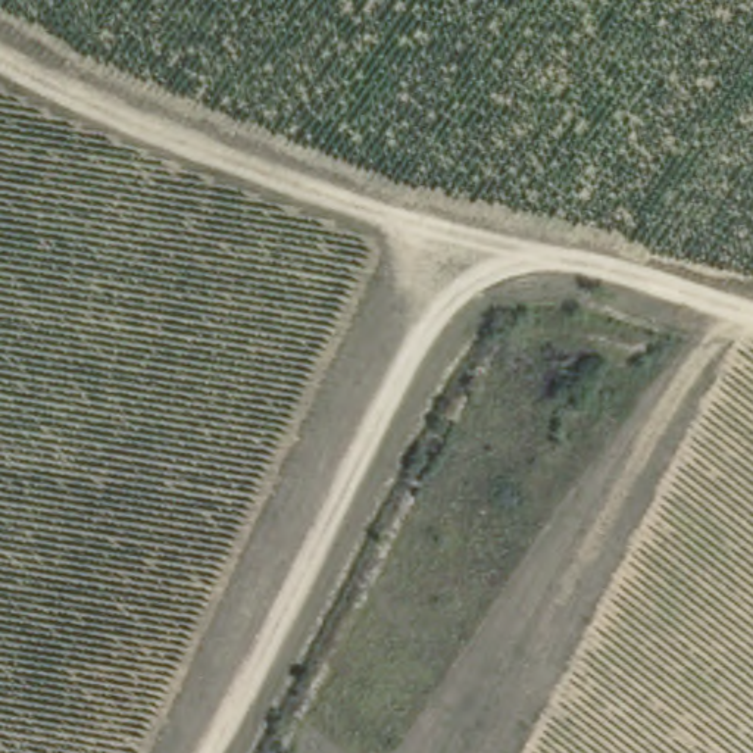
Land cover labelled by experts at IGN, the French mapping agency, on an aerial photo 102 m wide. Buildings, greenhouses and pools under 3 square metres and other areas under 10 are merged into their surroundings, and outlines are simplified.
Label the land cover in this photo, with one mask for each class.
<instances>
[{"label":"vineyard","instance_id":"1","mask_svg":"<svg viewBox=\"0 0 753 753\"><path fill-rule=\"evenodd\" d=\"M0 44L15 53H24L41 68H50L68 79L82 82L85 88L109 94L135 112L162 118L182 129H194L224 147L338 185L344 191L509 238H524L565 250H585L618 262L644 265L650 253H662L724 271L753 274V0H0ZM285 194L218 171L212 165L191 162L156 144L138 141L121 129L103 126L0 74V753H132V747H126V735L141 738L150 712L156 709L159 691L165 688L168 677L174 674L182 656L191 624L215 582V571L226 556L229 541L247 512L256 479L262 477L268 456L276 447V438L285 429V421L291 418V409L309 377L312 359L326 341L341 297L347 294V285L353 279L350 274L356 265H362L368 253L362 238L356 235H338L332 229H324L315 218L285 215L279 200ZM709 329L724 338H732V347L724 365L718 368L712 388L703 394L679 450L674 453L665 477L659 479L653 503L641 518L638 529L632 532L627 556L615 571L594 612V621L585 627V635L577 644L568 671L553 688L547 709L532 727L524 753H753V329L709 315Z\"/></svg>","mask_w":753,"mask_h":753},{"label":"herbaceous vegetation","instance_id":"2","mask_svg":"<svg viewBox=\"0 0 753 753\"><path fill-rule=\"evenodd\" d=\"M285 215L315 218L324 229H332L338 235H356L362 238L368 253L362 265H356L350 274L353 279L347 285V294L341 297L326 341L312 359L309 377L291 409V418L285 421V429L276 438V447L268 456L262 477L256 479L247 512L229 541L226 556L215 571V582L191 624L182 656L174 674L168 677L165 688L159 691L156 709L150 712L141 738L126 735V747H132V753H197L235 674L253 653V644L271 615V606L282 591V582L309 529L315 527V518L338 474V465L347 456L362 427V418L374 403L397 350L403 347L406 332L421 321L427 306L456 276L488 262V256L479 250H465L432 238L424 241V247L397 241L391 247L388 235L368 221L285 194L279 200ZM715 291L753 300V274L724 271L662 253H650L644 265ZM709 329V315L627 285L562 271L509 276L488 285L479 297L468 300L447 321V326L438 332V338L421 359L356 488V497L326 550V559L253 706L247 709L238 732L232 735L224 753H297L291 744L282 747L279 738V727L288 724L291 715H309L312 727L344 753H391L418 724L424 709L429 706V697L441 691L450 665L477 632L479 621L488 615L491 603L500 597L512 571L527 556L529 541L550 518L553 506L565 497L571 482H577L588 468L600 462V453L632 418L638 397L665 371L677 374L682 359L700 344L703 332Z\"/></svg>","mask_w":753,"mask_h":753},{"label":"agricultural land","instance_id":"3","mask_svg":"<svg viewBox=\"0 0 753 753\"><path fill-rule=\"evenodd\" d=\"M732 347V338H724L709 329L703 332L700 344L682 359L677 374L665 371L638 397L632 418L600 453V462L588 468L577 482H571L565 497L553 506L550 518L529 541L527 556L512 571L500 597L491 603L488 615L479 621L477 632L450 665L441 691L429 697V706L424 709L418 724L391 753H524L532 727L547 709L553 688L568 671L577 644L585 635V627L594 621V612L615 571L627 556L632 532L638 529L641 518L653 503L659 479L665 477L674 453L679 450L703 394L712 388L718 368L724 365ZM279 738L282 747L291 744L297 753H344L312 727L309 715H291L288 724L279 727Z\"/></svg>","mask_w":753,"mask_h":753},{"label":"pervious surface","instance_id":"4","mask_svg":"<svg viewBox=\"0 0 753 753\"><path fill-rule=\"evenodd\" d=\"M0 74L103 126L121 129L138 141L156 144L191 162L212 165L218 171L285 194L368 221L388 235L391 247L397 241L424 247V241L432 238L465 250H479L488 256V262L456 276L427 306L421 321L406 332L403 347L397 350L374 403L362 418V427L347 456L338 465V474L315 518V527L309 529L282 582V591L271 606V615L253 644V653L235 674L197 753H224L232 735L238 732L247 709L253 706L326 559V550L356 497V488L421 359L438 338V332L447 326V321L468 300L479 297L488 285L509 276L562 271L627 285L709 315L753 329V300L715 291L644 265L618 262L585 250H565L524 238H509L344 191L338 185L224 147L194 129H182L162 118L135 112L109 94L85 88L82 82L68 79L50 68H41L24 53H15L0 44Z\"/></svg>","mask_w":753,"mask_h":753}]
</instances>
